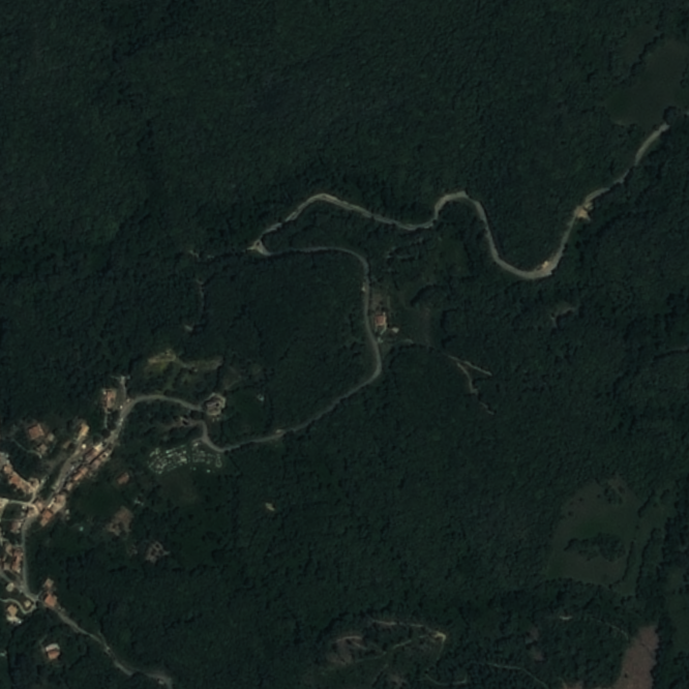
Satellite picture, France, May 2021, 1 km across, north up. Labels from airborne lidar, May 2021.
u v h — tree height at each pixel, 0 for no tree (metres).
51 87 7
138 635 17
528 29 15
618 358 21
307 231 16
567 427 12
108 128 18
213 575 19
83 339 7
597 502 0
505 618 8
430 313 0
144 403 7
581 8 16
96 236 18
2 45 14
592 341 18
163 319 8
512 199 9
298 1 15
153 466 0
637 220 20
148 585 24
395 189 18
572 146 20
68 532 12
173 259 10
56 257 19
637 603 16
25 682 26
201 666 14
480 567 12
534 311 22
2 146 8
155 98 20
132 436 7
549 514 12
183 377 6
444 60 7
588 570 0
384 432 14
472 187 15
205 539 12
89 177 14
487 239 14
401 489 16
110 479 9
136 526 5
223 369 15
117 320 18
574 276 17
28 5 10
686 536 21
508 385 19
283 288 18
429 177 15
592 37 18
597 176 16
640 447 10
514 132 11
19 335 19
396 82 11
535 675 9
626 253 14
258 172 15
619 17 15
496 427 13
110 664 19
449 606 10
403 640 13
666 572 16
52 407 13
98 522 7
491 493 11
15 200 7
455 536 17
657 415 16
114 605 15
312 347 16
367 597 18
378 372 0
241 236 18
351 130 18
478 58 11
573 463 7
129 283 18
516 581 6
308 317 14
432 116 18
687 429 14
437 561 18
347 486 19
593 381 19
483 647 15
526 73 8
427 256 21
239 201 15
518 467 5
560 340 20
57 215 15
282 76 12
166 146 15
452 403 15
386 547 19
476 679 15
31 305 20
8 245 13
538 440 11
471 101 12
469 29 9
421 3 10
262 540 14
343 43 9
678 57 0
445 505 10
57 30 9
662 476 16
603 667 16
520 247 16
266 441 0
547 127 18
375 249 15
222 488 8
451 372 12
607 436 11
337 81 8
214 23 11
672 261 17
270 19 7
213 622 18
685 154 8
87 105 11
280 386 13
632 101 0
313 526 12
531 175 12
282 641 23
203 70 11
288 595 19
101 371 9
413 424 17
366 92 9
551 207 18
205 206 19
